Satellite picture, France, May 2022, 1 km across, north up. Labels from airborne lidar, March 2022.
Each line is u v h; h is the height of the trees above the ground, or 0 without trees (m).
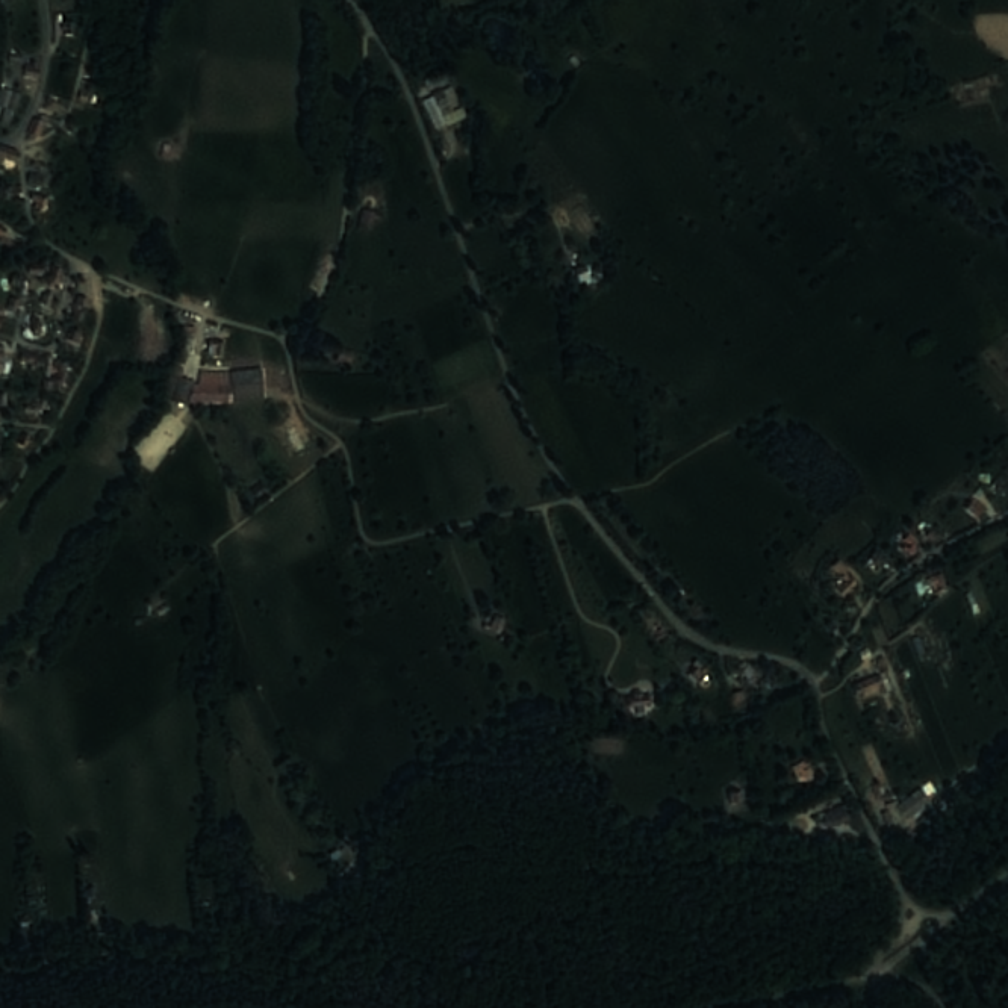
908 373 0
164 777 0
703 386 0
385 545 0
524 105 0
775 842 23
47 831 0
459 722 0
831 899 29
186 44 0
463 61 0
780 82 0
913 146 0
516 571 0
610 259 11
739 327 0
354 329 0
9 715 0
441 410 0
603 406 0
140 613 0
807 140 0
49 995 31
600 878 17
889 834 12
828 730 0
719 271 0
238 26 0
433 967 19
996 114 0
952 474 0
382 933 11
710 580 0
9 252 18
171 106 0
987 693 0
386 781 0
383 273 0
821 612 0
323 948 27
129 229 17
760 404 0
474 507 0
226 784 0
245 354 0
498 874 18
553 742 25
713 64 0
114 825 0
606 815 23
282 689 0
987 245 0
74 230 7
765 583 0
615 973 26
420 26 28
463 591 0
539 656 0
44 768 0
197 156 0
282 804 0
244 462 0
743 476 0
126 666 0
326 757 0
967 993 28
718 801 0
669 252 0
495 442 0
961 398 0
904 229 0
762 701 11
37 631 17
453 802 24
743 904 28
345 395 0
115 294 0
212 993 28
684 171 0
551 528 0
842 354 0
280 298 0
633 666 0
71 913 0
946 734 0
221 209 0
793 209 0
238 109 0
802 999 24
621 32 0
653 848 25
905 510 0
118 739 0
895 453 0
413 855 19
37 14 7
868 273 0
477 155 14
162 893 0
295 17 0
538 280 19
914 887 28
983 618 0
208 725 12
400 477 0
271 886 0
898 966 0
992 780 27
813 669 0
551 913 22
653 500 0
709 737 22
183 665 8
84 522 0
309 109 15
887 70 0
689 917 26
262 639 0
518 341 0
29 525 13
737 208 0
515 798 26
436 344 0
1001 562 0
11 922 0
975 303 0
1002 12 0
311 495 0
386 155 15
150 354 0
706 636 13
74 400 0
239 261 0
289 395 0
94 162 19
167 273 29
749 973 28
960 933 7
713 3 0
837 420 0
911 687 0
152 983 29
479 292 0
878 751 0
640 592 10
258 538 0
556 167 0
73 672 0
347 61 0
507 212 15
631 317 0
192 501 0
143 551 0
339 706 0
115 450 0
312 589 0
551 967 24
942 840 29
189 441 0
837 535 0
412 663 0
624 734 10
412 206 0
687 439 0
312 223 0
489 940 20
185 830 0
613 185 0
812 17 0
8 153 0
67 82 0
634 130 0
